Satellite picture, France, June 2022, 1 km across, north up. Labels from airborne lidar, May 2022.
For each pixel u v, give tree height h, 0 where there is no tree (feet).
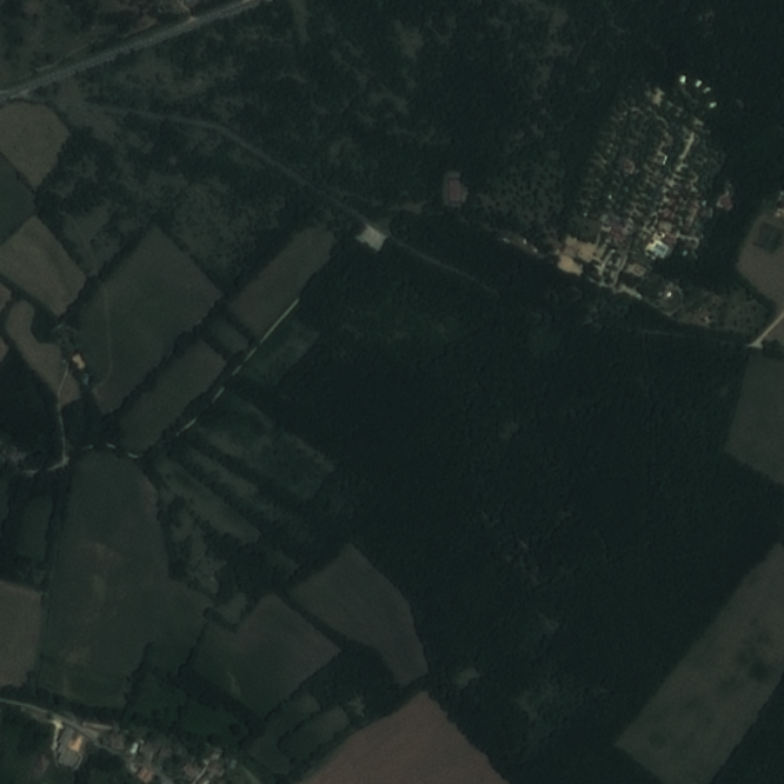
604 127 30
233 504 26
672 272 32
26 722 19
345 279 32
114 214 20
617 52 23
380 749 0
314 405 21
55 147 0
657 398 38
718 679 0
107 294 0
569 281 43
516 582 33
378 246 0
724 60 27
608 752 33
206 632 24
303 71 18
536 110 24
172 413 0
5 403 27
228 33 23
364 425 38
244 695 0
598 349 42
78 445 37
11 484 21
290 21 29
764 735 28
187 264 0
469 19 36
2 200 0
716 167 31
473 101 40
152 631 0
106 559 0
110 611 0
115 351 0
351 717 30
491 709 50
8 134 0
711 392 30
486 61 23
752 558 31
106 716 51
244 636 0
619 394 46
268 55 25
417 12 34
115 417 37
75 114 0
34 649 0
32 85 0
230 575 30
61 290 0
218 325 0
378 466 27
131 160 23
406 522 28
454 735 0
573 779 40
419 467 34
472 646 33
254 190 18
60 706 55
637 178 23
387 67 31
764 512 35
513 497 52
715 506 39
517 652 39
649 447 38
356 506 26
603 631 45
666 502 52
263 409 23
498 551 32
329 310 23
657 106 22
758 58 29
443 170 31
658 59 33
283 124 22
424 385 39
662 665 46
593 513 51
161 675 24
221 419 28
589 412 54
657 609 37
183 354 36
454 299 32
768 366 0
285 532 28
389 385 40
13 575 24
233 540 36
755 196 36
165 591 0
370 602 0
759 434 0
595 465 55
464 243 38
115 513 0
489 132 33
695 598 42
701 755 0
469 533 32
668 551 45
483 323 36
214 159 26
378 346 19
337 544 58
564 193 29
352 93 22
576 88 27
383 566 33
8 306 23
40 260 0
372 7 24
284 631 0
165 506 27
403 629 0
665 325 24
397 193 32
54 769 0
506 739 47
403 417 34
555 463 42
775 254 0
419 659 0
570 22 22
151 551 0
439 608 37
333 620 0
